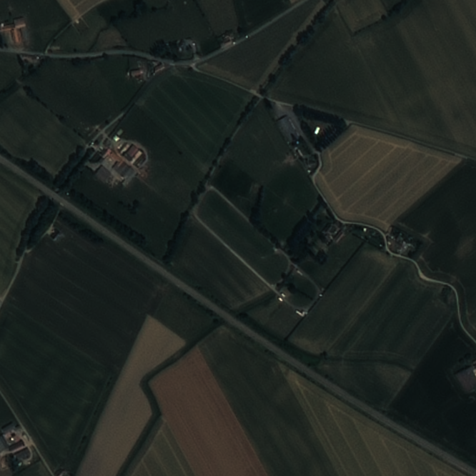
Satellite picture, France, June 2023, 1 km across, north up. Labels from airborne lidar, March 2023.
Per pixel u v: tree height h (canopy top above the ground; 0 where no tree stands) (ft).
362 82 0
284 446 0
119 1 0
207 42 0
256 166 0
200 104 0
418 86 0
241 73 0
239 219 0
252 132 0
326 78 0
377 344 0
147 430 0
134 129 0
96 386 0
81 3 0
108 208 0
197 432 0
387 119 0
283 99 0
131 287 0
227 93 0
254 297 0
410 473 0
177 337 0
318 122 0
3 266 0
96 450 0
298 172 0
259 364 0
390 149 0
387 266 0
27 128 0
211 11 0
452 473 0
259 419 0
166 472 0
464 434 0
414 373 0
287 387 0
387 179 0
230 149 0
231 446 0
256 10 0
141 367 0
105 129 0
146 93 0
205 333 0
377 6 0
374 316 0
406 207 0
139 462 0
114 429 0
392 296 0
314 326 0
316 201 0
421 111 0
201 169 0
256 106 0
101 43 0
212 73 0
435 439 0
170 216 0
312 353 0
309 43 0
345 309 0
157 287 0
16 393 0
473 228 0
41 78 0
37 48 0
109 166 0
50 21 0
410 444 0
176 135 0
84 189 0
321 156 0
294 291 45
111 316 0
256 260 0
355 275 0
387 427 0
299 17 0
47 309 0
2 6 0
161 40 0
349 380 0
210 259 0
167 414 0
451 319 0
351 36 0
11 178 0
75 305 0
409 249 0
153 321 0
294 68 0
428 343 0
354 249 0
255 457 0
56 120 0
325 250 0
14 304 0
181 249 0
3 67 0
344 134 0
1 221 0
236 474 0
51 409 0
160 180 0
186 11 0
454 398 0
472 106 0
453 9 0
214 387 0
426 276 0
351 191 0
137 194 0
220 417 0
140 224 0
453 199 0
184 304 0
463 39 0
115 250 0
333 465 0
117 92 0
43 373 0
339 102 0
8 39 0
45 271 0
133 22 0
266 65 0
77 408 0
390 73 0
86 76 0
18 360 0
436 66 0
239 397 0
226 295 0
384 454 0
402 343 0
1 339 0
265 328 0
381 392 0
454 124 0
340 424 0
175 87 0
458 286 0
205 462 0
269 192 0
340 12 0
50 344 0
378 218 0
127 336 0
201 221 0
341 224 38
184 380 0
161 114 0
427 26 0
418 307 0
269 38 0
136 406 0
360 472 0
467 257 0
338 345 0
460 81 0
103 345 0
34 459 0
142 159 0
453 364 0
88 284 0
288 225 0
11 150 0
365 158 0
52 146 0
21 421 0
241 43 0
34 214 55
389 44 0
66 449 0
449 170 0
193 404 0
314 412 0
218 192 0
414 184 0
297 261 40
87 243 0
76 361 0
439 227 0
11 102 0
